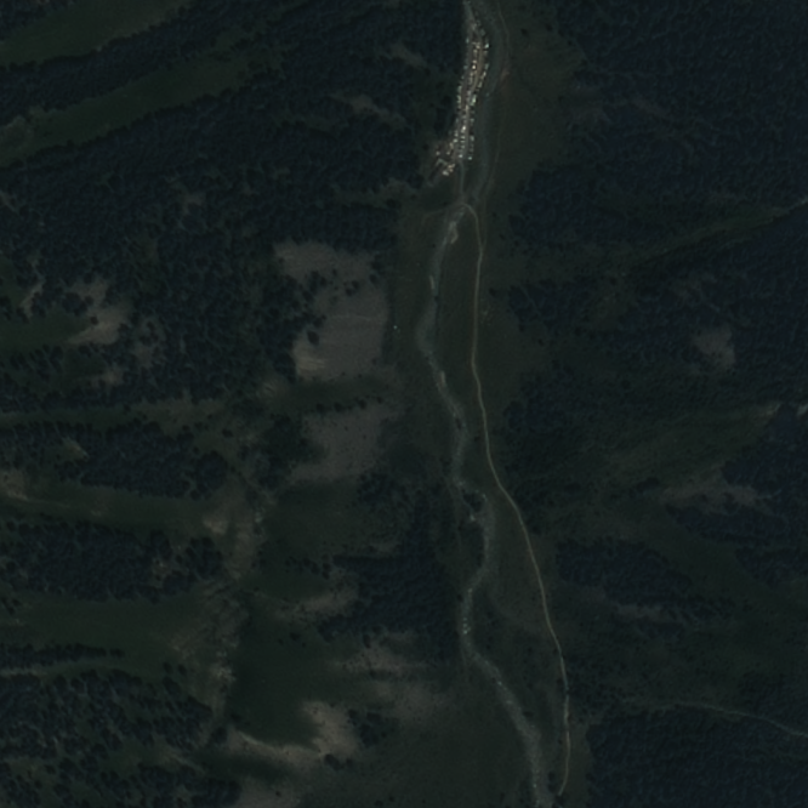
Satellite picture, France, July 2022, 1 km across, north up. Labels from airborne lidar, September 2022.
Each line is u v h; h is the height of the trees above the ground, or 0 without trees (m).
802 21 19
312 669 0
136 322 20
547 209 33
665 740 23
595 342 7
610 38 38
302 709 0
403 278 0
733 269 7
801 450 15
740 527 23
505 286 0
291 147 28
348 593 0
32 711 18
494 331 0
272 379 0
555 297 22
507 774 0
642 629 16
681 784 15
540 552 0
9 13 32
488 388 0
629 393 7
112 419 0
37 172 27
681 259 7
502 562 0
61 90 19
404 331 0
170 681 24
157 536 21
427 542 18
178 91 0
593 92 0
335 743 0
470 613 0
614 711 8
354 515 0
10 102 21
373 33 24
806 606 0
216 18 26
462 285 0
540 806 0
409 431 0
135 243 11
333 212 25
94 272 10
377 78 17
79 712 20
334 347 0
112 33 0
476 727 0
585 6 13
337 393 0
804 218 23
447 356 0
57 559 27
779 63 36
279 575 0
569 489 14
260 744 0
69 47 0
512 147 0
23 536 21
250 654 0
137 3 0
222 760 0
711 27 7
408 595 24
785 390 7
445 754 0
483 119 0
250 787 0
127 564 22
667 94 24
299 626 0
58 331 0
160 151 26
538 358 0
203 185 24
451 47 30
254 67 8
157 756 0
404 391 0
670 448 0
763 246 22
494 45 0
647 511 0
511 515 0
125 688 29
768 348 12
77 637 0
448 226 0
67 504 0
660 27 28
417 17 29
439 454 0
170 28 27
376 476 12
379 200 0
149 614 0
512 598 0
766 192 17
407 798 0
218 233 20
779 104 40
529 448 7
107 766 0
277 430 7
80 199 26
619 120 24
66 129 0
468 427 0
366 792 0
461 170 0
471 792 0
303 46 16
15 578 27
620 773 18
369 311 0
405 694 0
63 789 20
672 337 17
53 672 0
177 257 20
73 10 0
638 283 6
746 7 14
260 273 17
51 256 24
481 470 0
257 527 9
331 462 0
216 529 0
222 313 13
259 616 0
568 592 0
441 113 14
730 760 14
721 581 0
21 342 0
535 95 0
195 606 0
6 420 0
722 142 16
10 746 21
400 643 0
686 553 0
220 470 20
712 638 7
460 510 0
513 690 0
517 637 0
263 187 24
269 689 0
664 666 0
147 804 26
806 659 0
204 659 0
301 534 0
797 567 15
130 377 14
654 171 27
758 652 0
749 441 0
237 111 27
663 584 21
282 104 22
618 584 19
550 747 0
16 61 0
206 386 20
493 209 0
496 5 0
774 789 9
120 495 0
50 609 0
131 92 0
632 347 24
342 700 0
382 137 18
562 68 0
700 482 0
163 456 15
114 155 27
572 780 0
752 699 9
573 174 20
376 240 21
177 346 23
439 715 0
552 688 0
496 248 0
